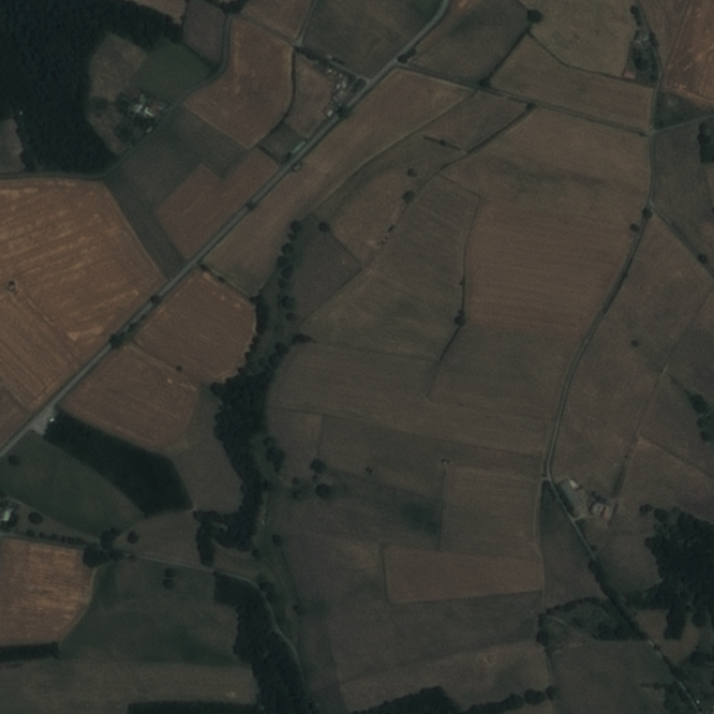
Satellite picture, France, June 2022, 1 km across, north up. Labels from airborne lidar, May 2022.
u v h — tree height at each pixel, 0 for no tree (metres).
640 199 0
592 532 0
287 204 0
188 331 0
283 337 0
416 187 0
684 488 0
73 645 0
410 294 0
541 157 0
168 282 0
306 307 0
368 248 0
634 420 0
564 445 0
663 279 0
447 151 0
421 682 0
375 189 0
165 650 0
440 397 0
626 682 0
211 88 0
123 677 0
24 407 0
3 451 0
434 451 0
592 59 0
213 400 0
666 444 0
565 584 0
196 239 0
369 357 0
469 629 0
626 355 0
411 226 0
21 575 0
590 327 0
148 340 0
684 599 12
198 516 19
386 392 0
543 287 0
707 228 0
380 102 0
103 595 0
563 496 9
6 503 6
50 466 0
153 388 0
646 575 0
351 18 0
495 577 0
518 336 0
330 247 0
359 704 0
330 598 0
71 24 17
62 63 17
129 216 0
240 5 13
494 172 0
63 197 0
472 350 0
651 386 0
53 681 0
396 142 0
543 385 0
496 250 0
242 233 0
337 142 0
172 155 0
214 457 0
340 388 0
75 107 18
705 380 0
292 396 0
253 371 26
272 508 0
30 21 30
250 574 0
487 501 0
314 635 0
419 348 0
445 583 0
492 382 0
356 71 0
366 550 0
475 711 17
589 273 0
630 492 0
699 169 0
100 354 0
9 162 0
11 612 0
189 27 0
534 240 0
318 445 0
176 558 0
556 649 0
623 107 0
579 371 0
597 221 0
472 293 0
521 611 0
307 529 0
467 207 0
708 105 0
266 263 0
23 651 6
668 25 0
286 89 0
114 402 0
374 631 0
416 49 0
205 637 0
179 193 0
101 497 0
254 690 0
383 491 0
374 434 0
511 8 0
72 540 13
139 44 12
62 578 0
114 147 0
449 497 0
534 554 0
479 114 0
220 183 0
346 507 0
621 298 0
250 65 0
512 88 0
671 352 0
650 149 0
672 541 14
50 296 0
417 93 0
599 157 0
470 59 0
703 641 0
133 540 13
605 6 0
